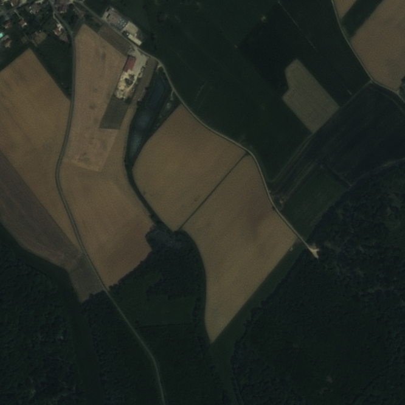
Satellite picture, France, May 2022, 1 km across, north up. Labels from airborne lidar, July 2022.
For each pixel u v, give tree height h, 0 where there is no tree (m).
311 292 16
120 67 0
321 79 0
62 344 21
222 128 0
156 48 10
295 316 16
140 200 0
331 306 14
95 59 0
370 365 15
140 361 10
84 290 0
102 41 0
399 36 0
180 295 17
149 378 10
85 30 0
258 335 8
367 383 12
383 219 25
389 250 27
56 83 0
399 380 22
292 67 0
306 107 0
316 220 0
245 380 17
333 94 0
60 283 0
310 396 5
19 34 0
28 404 18
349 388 11
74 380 24
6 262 29
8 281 22
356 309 13
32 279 22
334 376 10
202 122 0
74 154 0
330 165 0
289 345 7
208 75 0
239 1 0
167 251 21
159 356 7
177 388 7
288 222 0
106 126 0
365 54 0
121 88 0
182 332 9
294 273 15
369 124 0
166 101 0
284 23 0
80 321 0
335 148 0
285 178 0
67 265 0
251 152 0
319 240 24
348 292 27
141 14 0
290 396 22
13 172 0
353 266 27
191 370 8
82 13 0
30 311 21
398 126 0
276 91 0
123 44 0
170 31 0
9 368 23
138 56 0
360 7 0
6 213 0
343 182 0
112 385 22
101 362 17
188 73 0
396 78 0
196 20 0
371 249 25
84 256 0
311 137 0
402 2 0
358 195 25
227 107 0
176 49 0
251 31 0
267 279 0
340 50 0
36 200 0
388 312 22
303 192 0
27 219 0
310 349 14
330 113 0
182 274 19
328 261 20
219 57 0
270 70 0
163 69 0
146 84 0
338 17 0
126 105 0
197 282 18
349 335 13
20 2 0
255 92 0
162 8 0
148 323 0
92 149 0
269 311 17
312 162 0
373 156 0
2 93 0
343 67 0
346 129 0
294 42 0
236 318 0
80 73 0
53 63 0
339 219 22
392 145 0
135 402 11
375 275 23
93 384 0
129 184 0
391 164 0
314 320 16
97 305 20
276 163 0
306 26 0
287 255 0
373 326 13
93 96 0
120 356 13
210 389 7
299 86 0
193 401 7
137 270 15
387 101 0
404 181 0
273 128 0
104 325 19
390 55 0
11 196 0
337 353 15
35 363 20
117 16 0
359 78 0
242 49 0
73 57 0
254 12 0
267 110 0
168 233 26
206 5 0
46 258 0
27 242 0
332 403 6
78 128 0
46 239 0
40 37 0
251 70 0
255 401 27
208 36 0
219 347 0
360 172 0
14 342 20
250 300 0
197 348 9
